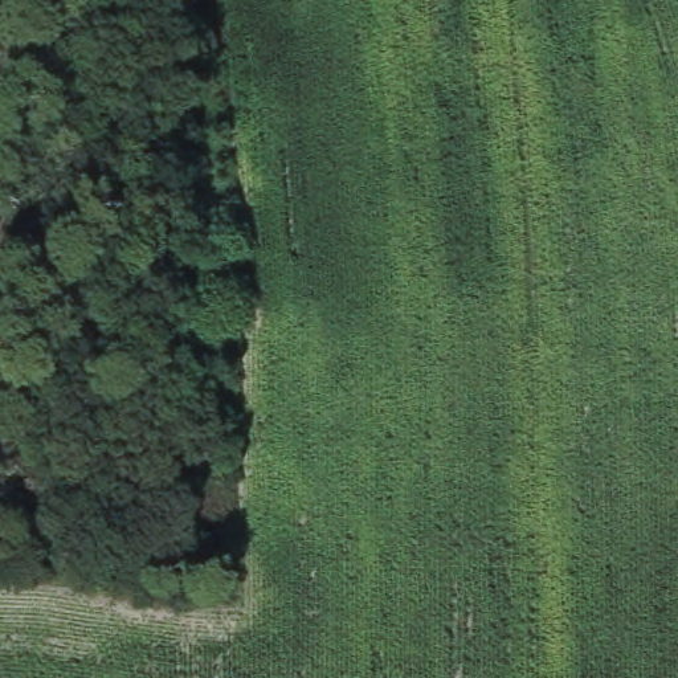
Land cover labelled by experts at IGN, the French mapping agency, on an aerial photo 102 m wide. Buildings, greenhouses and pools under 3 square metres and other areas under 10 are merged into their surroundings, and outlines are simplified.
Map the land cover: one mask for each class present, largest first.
<instances>
[{"label":"agricultural land","instance_id":"1","mask_svg":"<svg viewBox=\"0 0 678 678\"><path fill-rule=\"evenodd\" d=\"M222 21L228 50L220 72L228 77L230 98L236 106V124L209 130L207 146L220 151L236 148L238 180L246 204L254 209L257 225L265 236L260 246H249L246 257L260 270L265 297L257 299L254 323L241 336L246 339L244 400L252 411L249 450L244 456V479L238 482V509L246 511V522L252 530V540L244 559L246 580L241 601L204 604L201 609L185 614L172 609H135L130 601H119L103 593H77L66 585L53 583L26 591L0 588V678H678V0H225Z\"/></svg>","mask_w":678,"mask_h":678},{"label":"deciduous trees","instance_id":"2","mask_svg":"<svg viewBox=\"0 0 678 678\"><path fill-rule=\"evenodd\" d=\"M79 5L82 19L74 26L61 29L50 48H56L58 56L72 61L74 82L85 103H64L61 119H48L45 130L58 132L66 127L79 132L85 140L72 151L74 162L79 167H85L87 162L109 164L124 180V201L117 212L119 230L111 233V241L109 246H103V254L90 265L87 275L77 283L87 305V315L101 326V331L132 336L148 344L151 363L143 365L146 381L135 392H130L127 397L103 400L90 389L85 371V363L93 360L90 342L82 336V331L77 336H69L61 344V355H53L56 371L37 384L19 387L21 397L29 405L21 416H16V424H24L26 432V440L19 445V453L26 471L34 479V490L40 495L37 519L40 530L50 540V548H34L19 511L0 509V588L26 591L53 583L66 585L77 593H103L119 601H130L135 609H172L185 614L201 609L204 604L241 601L246 580L244 559H230L228 554H220L204 564H188L185 554L196 543V495H204L209 474H230L238 466H244V456L249 450L252 411L244 400L246 339L241 336L254 323L257 299L265 297L260 270L246 257L249 246H260L265 236L257 225L254 209L246 204L238 180L236 148L220 151L207 146L209 130L236 124V106L230 98L228 77L220 72L228 50L222 21L225 0H74Z\"/></svg>","mask_w":678,"mask_h":678},{"label":"coniferous trees","instance_id":"3","mask_svg":"<svg viewBox=\"0 0 678 678\"><path fill-rule=\"evenodd\" d=\"M82 19L79 5L74 0H0V509L19 511L34 548H50V540L40 530L37 519L40 495L34 490V479L26 471L19 453V445L26 440V432L24 424H16V416H21L29 405L21 397L19 387L37 384L56 371L53 355H61V344L69 336H77L82 331V336L90 342L93 360L85 363V371L90 389L103 400L127 397L130 392H135L146 381L143 365L151 363L148 344L132 336L101 331V326L87 315V305L77 283L87 275L90 265L103 254V246H109L111 241V233L119 230L117 212L124 201V180L109 164L87 162L85 167H79L74 162L72 151L85 140L79 132L66 127L58 132L45 130L48 119H61L64 103H85L74 82L72 61L58 56L56 48H50L61 29L74 26Z\"/></svg>","mask_w":678,"mask_h":678},{"label":"herbaceous vegetation","instance_id":"4","mask_svg":"<svg viewBox=\"0 0 678 678\"><path fill-rule=\"evenodd\" d=\"M244 479V466H238L230 474H209L204 495H196V543L185 554L188 564H204L220 554H228L230 559H244L252 540V530L246 522V511L238 509V482Z\"/></svg>","mask_w":678,"mask_h":678}]
</instances>
